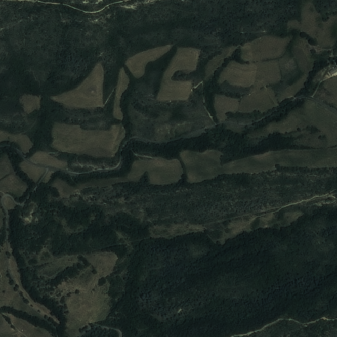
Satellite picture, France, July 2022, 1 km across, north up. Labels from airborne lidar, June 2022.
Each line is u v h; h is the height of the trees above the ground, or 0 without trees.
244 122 0
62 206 8
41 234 7
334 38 0
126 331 13
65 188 0
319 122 0
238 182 8
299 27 0
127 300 9
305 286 10
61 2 7
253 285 5
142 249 9
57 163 0
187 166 0
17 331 0
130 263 10
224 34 8
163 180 0
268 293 8
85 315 0
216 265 14
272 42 0
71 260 0
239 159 0
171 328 9
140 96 5
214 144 8
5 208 0
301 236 7
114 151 0
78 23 8
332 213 10
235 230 0
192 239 15
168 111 0
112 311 10
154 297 17
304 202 0
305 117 0
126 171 8
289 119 0
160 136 0
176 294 6
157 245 6
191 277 14
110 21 6
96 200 9
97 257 0
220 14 7
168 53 6
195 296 10
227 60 14
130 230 11
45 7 6
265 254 14
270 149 8
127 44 7
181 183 9
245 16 7
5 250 0
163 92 0
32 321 17
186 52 0
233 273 8
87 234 11
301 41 0
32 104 0
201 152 10
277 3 12
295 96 8
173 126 0
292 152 0
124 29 8
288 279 8
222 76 0
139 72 0
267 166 0
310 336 8
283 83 9
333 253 8
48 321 12
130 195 7
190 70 0
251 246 19
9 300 0
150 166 0
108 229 14
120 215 12
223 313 6
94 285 0
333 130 0
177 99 0
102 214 13
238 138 15
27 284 14
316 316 10
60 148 0
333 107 8
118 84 0
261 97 0
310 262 8
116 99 0
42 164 0
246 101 0
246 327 8
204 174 0
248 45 0
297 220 6
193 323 10
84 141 0
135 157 7
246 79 0
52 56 6
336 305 10
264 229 12
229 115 15
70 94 0
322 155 0
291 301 12
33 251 10
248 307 8
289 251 6
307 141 0
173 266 10
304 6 0
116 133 0
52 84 8
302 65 0
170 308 13
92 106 0
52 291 8
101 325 9
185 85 0
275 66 0
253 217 0
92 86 0
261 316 8
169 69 0
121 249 14
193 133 0
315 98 0
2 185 0
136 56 0
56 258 0
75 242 8
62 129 0
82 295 0
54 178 7
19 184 0
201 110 0
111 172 14
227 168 0
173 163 0
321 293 13
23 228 8
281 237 9
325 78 0
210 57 9
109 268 0
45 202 10
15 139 0
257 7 0
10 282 12
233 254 10
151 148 7
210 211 10
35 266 7
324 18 11
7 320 11
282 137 14
